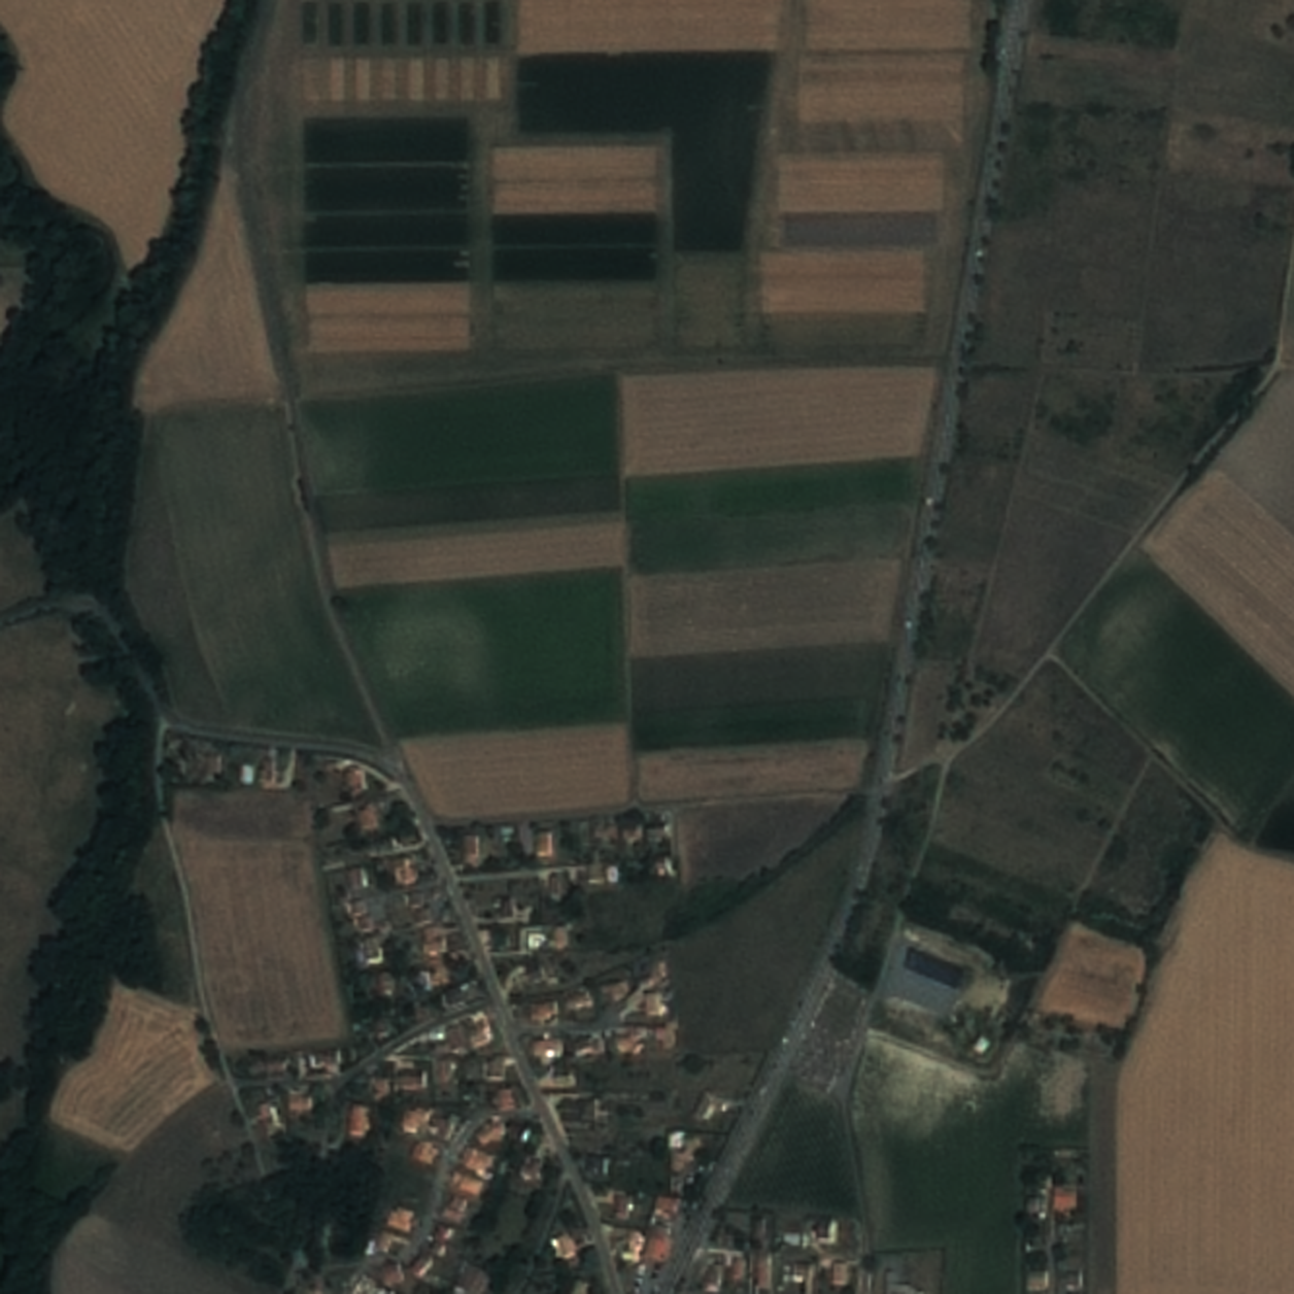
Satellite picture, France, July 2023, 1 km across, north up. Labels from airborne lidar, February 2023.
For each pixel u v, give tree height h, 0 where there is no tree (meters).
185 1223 9
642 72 0
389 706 0
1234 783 0
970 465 0
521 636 0
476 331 0
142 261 0
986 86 0
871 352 0
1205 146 0
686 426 0
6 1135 0
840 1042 0
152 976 6
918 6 0
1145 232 0
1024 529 0
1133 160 0
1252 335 0
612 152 0
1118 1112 0
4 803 0
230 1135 0
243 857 0
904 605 0
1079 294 0
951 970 10
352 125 0
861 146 0
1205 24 0
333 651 0
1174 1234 0
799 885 0
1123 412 0
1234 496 0
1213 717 0
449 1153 0
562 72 0
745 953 0
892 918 0
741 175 0
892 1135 0
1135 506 0
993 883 0
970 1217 0
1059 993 0
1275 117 0
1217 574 0
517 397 0
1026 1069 0
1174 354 0
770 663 0
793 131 0
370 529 0
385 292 0
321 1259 8
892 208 0
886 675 0
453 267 0
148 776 14
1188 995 0
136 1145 0
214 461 0
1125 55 0
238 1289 0
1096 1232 0
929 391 0
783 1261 0
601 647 0
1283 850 0
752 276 0
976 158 0
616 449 0
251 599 0
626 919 0
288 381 0
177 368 0
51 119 0
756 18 0
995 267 0
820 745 0
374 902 0
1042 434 0
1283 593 0
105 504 22
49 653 0
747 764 0
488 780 0
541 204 0
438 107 0
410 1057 0
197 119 17
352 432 0
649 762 0
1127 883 0
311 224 0
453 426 0
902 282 0
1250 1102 0
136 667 14
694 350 0
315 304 0
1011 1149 0
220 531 0
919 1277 0
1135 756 0
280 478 0
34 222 16
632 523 0
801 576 0
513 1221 0
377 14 0
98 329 0
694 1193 13
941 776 0
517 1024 0
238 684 0
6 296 0
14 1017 0
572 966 7
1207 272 0
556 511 0
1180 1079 0
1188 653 0
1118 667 0
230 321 0
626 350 0
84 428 17
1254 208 0
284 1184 13
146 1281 0
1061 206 0
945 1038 0
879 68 0
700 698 0
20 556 0
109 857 22
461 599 0
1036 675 0
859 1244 0
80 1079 0
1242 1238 0
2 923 0
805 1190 0
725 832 0
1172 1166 0
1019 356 0
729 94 0
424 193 0
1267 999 0
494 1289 10
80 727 0
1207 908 0
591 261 0
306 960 0
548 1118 0
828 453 0
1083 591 0
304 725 0
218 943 0
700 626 0
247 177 0
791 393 0
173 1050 0
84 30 0
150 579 0
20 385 27
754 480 0
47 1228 14
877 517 0
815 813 0
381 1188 7
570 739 0
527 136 0
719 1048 0
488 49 0
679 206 0
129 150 0
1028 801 0
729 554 0
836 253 0
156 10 0
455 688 0
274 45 0
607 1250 0
